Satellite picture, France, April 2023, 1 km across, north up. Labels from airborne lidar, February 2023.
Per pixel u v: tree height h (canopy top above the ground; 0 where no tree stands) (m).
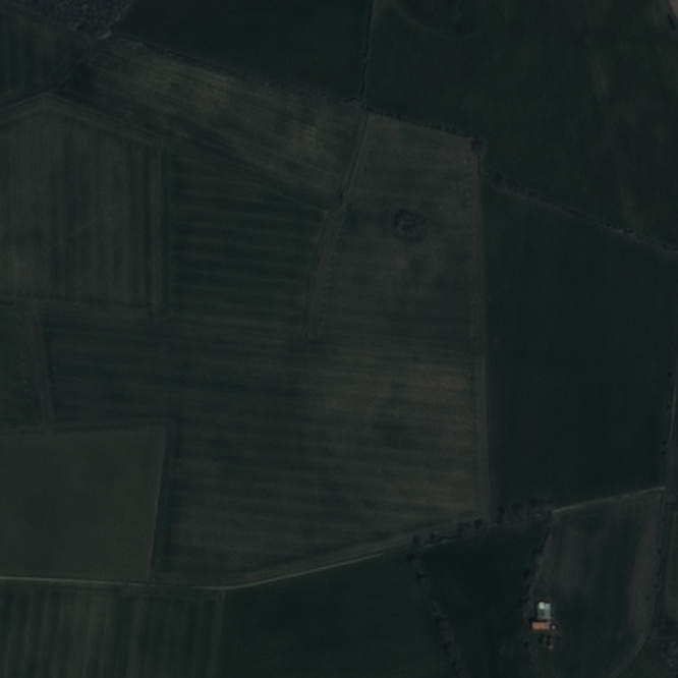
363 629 0
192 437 0
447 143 0
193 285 0
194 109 0
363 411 0
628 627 0
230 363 0
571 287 0
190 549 0
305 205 0
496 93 0
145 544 0
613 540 0
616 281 0
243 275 0
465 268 0
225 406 0
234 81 0
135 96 0
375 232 0
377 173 0
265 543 0
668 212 0
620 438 0
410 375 0
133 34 0
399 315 0
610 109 0
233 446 0
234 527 0
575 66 0
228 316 0
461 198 0
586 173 0
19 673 0
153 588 0
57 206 0
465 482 0
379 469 0
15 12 0
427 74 0
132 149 0
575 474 0
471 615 0
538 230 0
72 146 0
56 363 0
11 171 0
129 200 0
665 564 0
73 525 0
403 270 0
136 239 0
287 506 0
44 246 0
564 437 0
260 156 0
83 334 0
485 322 0
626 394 0
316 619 0
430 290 0
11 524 0
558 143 0
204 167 0
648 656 0
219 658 0
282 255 0
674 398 0
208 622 0
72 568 0
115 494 0
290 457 0
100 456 0
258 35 0
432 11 0
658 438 0
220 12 0
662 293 0
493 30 0
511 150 0
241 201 0
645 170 0
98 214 0
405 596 0
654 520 0
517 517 14
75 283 0
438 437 0
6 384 0
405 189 0
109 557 0
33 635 0
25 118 0
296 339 0
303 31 0
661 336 0
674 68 0
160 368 0
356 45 0
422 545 16
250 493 0
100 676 0
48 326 0
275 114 0
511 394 0
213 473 0
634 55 0
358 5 0
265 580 0
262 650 0
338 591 0
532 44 0
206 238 0
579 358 0
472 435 0
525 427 0
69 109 0
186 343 0
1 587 0
